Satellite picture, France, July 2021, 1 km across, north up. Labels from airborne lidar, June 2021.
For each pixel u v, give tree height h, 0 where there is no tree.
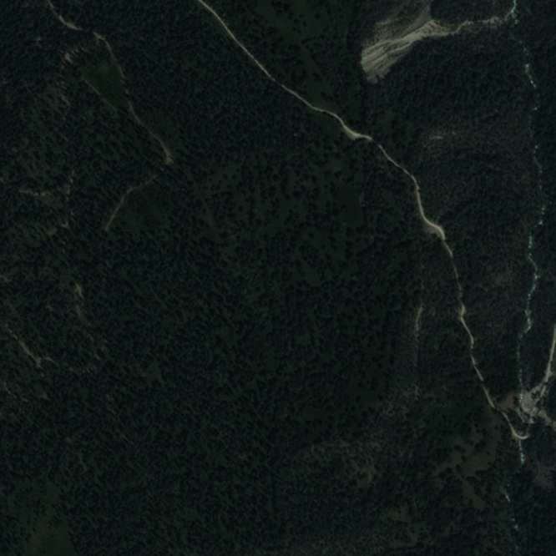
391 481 20
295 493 11
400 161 13
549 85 15
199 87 9
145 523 33
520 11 9
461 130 8
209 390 28
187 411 13
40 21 19
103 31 20
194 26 13
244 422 11
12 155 8
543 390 0
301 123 24
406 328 12
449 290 12
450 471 17
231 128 27
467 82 26
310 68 0
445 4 16
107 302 27
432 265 12
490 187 7
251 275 8
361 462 19
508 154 14
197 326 6
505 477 24
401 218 9
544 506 12
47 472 28
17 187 18
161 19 8
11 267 28
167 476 28
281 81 27
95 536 25
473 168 7
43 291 12
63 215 20
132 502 27
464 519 13
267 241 17
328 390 16
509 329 16
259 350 19
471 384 21
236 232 8
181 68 26
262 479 26
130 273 28
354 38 19
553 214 16
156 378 0
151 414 10
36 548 0
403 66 17
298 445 10
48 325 14
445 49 19
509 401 0
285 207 0
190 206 25
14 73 25
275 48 14
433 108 31
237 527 30
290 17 7
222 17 23
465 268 14
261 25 16
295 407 23
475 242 22
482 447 12
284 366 20
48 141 11
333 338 28
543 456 14
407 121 7
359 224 0
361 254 15
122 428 34
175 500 30
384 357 8
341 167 0
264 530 26
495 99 10
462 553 20
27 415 31
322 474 26
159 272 26
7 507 20
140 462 10
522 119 7
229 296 12
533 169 10
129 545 14
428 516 19
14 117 26
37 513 10
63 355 34
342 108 9
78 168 10
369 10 6
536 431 25
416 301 14
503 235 21
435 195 10
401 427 10
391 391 23
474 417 8
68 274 0
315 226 6
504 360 18
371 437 14
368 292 22
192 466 33
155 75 25
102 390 12
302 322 19
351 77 16
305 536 20
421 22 0
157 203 6
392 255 9
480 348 15
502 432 7
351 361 13
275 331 16
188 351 30
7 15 19
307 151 11
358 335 13
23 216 26
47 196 6
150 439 24
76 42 23
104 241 28
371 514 22
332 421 10
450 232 13
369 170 19
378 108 16
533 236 11
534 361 7
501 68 15
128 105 0
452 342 7
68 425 29
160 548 11
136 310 33
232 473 28
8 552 32
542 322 9
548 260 9
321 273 13
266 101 21
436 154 10
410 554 20
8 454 16
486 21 8
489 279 11
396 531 9
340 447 9
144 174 27
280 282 12
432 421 7
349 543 13
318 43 17
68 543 0
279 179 15
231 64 21
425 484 19
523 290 13
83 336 33
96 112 7
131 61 29
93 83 0
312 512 24
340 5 5
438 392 14
